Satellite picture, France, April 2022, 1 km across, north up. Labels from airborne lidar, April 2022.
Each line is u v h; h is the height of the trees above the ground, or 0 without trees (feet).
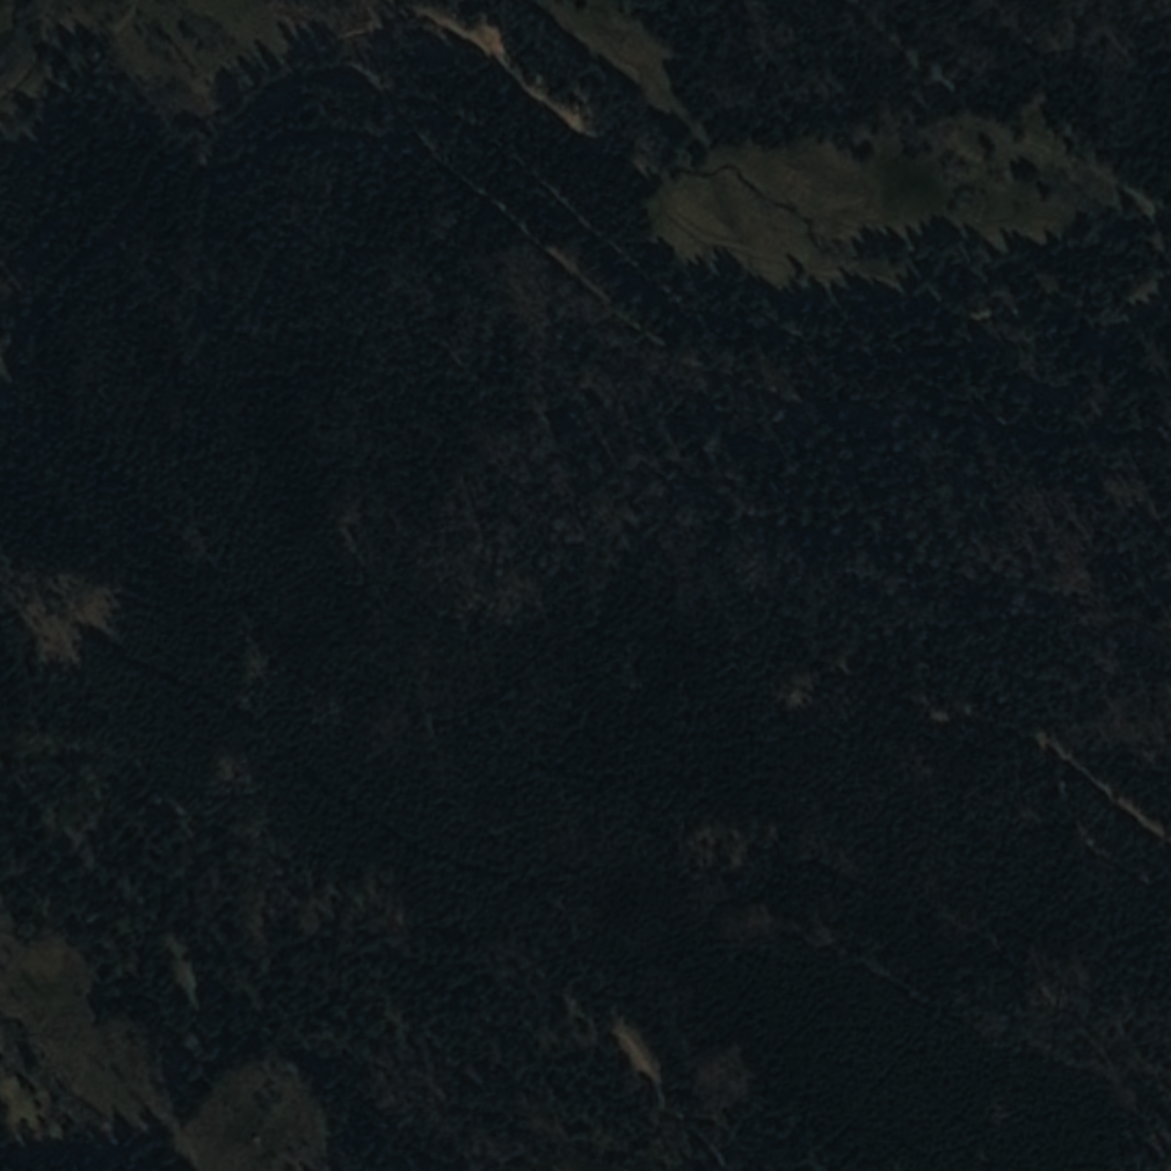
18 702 86
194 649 76
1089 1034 28
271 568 82
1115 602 22
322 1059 23
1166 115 87
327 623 64
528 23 56
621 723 76
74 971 0
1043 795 66
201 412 68
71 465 92
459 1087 41
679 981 69
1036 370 0
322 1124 0
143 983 48
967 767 74
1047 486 88
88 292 75
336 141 72
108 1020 70
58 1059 0
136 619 75
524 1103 97
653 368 69
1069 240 45
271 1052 60
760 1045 67
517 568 66
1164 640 42
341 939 82
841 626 62
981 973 48
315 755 87
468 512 65
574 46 53
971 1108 53
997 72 66
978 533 74
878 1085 43
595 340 67
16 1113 0
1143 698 46
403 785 79
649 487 81
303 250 76
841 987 51
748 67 83
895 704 70
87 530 88
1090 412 80
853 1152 30
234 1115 0
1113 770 82
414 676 76
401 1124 69
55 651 59
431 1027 64
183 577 83
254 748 89
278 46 0
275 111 73
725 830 59
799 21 91
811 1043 47
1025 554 82
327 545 81
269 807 65
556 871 77
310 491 81
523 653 73
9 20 0
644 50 0
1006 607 56
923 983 56
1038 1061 52
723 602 66
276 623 81
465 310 98
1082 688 36
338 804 94
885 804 66
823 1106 55
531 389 88
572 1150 27
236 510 82
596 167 93
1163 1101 22
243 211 85
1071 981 33
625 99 66
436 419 72
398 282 101
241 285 76
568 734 91
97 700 69
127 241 75
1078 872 62
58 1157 71
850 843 90
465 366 75
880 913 77
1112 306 69
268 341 81
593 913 75
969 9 80
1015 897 50
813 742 76
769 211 0
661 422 81
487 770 81
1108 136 73
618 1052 59
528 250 61
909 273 0
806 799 73
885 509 66
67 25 0
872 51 79
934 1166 49
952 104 78
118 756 74
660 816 64
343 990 31
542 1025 136
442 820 90
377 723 80
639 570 79
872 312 32
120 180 107
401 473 66
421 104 92
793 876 83
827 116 89
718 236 0
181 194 93
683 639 57
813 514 81
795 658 81
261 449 84
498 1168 54
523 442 79
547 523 57
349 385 87
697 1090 52
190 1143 0
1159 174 88
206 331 85
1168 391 62
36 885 132
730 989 62
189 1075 102
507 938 85
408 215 85
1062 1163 50
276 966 54
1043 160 0
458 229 74
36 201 79
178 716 94
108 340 90
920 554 92
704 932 48
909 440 73
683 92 89
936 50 61
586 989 91
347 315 78
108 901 110
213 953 130
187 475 68
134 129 100
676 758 70
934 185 0
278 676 69
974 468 73
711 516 74
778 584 70
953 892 69
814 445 115
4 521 79
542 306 75
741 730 75
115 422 97
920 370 99
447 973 53
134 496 85
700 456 73
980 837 85
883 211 0
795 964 44
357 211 77
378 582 70
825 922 34
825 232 0
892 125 26
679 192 0
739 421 58
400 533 64
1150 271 64
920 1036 42
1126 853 82
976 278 49
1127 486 91
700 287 66
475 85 100
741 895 64
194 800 86
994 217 0
